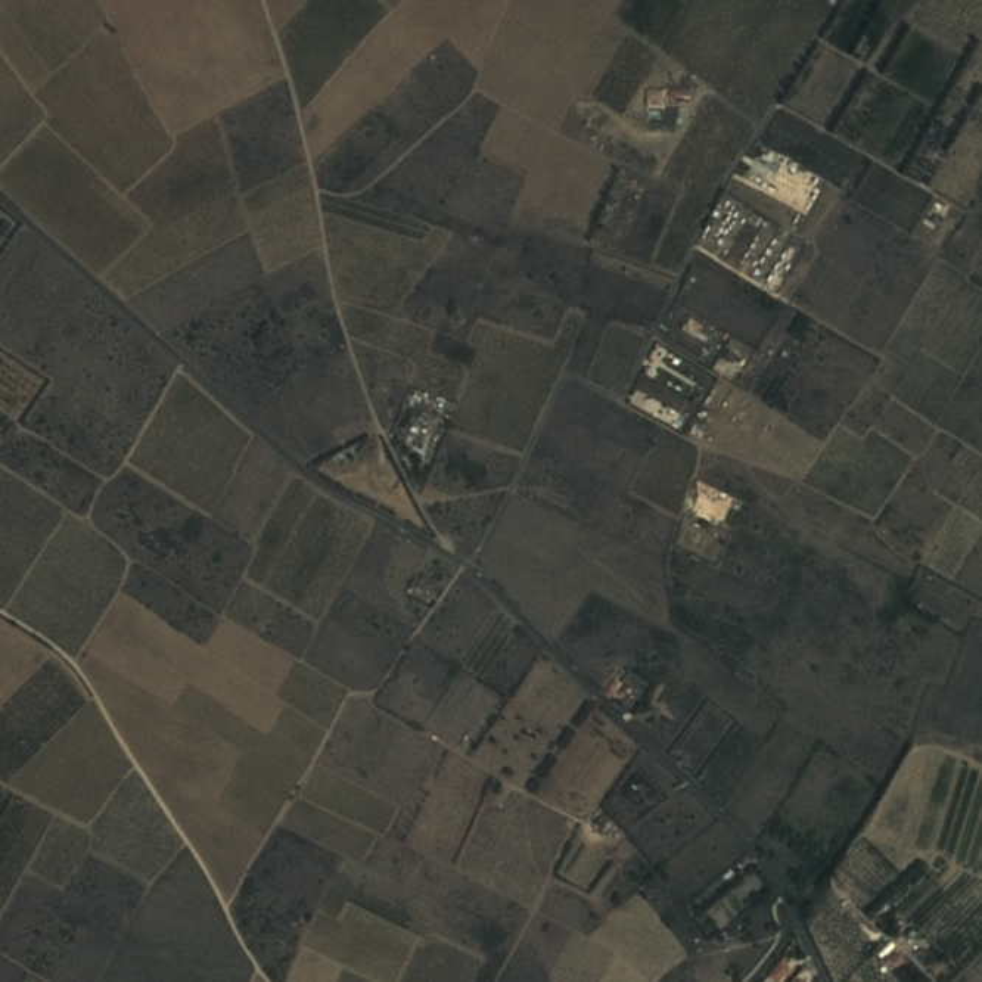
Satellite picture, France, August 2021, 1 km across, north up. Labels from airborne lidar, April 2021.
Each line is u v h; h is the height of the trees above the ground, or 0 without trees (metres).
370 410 0
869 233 0
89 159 0
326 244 0
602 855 0
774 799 0
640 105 0
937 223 0
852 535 0
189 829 0
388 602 0
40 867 0
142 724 0
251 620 0
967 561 0
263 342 12
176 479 0
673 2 0
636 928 0
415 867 0
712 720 0
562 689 0
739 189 0
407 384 0
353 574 0
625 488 0
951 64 0
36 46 0
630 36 0
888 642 0
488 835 0
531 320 0
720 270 0
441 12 0
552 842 0
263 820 0
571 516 0
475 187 0
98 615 0
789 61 0
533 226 0
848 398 0
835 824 0
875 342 0
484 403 0
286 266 0
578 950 0
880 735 0
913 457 0
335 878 0
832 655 0
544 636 0
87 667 0
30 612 0
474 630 0
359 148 0
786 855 0
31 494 0
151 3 0
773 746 0
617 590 0
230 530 0
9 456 0
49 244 0
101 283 0
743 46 0
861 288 0
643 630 0
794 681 0
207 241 0
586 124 0
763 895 9
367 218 0
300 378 0
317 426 0
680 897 0
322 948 0
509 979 0
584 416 0
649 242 0
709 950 0
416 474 8
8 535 0
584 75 0
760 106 0
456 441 0
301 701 0
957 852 0
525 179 0
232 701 0
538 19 0
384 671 0
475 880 0
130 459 0
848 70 0
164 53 0
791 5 0
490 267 0
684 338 0
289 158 0
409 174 0
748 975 0
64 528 0
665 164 0
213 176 0
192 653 0
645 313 0
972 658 0
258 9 0
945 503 0
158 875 0
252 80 0
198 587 0
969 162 0
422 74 0
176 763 0
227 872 0
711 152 0
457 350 0
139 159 0
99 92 0
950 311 0
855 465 0
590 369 0
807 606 0
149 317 0
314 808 0
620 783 8
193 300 0
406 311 0
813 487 0
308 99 0
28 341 0
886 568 0
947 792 0
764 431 0
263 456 0
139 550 0
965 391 0
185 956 0
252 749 0
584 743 0
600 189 0
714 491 0
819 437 0
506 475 0
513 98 0
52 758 0
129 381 0
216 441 0
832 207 0
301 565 0
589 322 0
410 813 0
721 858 0
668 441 0
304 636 0
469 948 0
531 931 0
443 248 0
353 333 0
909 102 0
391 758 0
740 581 0
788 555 0
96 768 0
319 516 0
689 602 0
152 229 0
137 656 0
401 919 0
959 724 0
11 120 0
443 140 0
